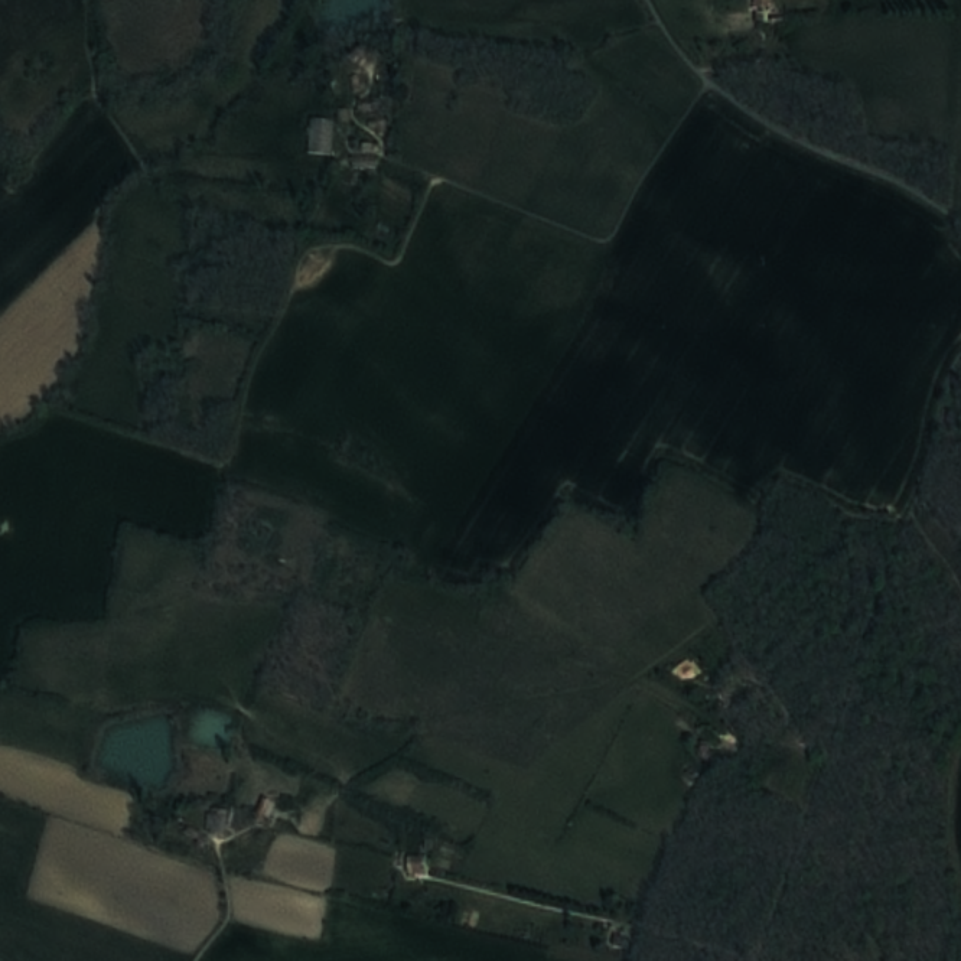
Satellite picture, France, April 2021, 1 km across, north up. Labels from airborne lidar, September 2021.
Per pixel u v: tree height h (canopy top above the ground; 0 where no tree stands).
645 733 0
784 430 0
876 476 0
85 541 0
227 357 0
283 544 0
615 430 0
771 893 19
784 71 20
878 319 0
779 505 10
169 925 0
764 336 0
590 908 6
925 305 0
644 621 0
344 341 0
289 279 14
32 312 0
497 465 0
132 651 0
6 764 0
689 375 0
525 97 18
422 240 0
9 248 0
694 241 0
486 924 0
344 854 0
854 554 18
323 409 0
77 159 0
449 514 0
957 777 0
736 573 16
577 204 0
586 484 0
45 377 0
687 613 0
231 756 27
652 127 0
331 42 21
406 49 8
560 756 0
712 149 0
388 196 0
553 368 0
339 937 0
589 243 0
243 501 13
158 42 0
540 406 0
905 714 22
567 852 0
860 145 12
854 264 0
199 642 0
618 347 0
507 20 0
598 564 0
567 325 0
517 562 0
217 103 0
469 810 0
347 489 0
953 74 0
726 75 22
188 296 19
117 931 0
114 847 0
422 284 0
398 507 0
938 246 0
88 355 7
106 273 13
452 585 8
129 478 0
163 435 24
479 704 0
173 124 0
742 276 0
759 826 21
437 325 0
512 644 0
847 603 21
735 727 12
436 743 0
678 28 0
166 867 0
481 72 16
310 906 0
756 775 18
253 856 0
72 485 0
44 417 17
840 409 0
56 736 0
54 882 0
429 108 0
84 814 0
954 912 23
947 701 27
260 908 0
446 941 0
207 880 0
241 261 19
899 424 0
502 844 0
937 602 17
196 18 0
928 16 23
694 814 18
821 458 0
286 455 0
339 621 13
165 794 0
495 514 0
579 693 0
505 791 0
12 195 0
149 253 0
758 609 17
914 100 0
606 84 0
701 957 15
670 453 0
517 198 0
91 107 0
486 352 0
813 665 20
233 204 0
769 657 18
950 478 18
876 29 0
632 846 0
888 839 16
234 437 17
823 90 19
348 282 0
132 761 0
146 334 0
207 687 0
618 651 0
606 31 0
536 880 0
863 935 19
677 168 0
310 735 0
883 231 0
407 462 0
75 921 0
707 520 0
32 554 0
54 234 0
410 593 0
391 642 0
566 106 15
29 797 0
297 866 0
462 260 0
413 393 0
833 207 0
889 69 0
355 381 0
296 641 15
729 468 0
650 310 0
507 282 0
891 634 24
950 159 18
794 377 0
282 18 0
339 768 0
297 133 0
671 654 0
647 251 0
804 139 17
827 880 17
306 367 0
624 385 0
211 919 0
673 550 0
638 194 0
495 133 0
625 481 0
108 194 14
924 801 19
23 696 11
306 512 0
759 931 20
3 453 0
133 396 0
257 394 0
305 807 0
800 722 16
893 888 18
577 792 0
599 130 0
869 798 13
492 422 0
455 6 0
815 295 0
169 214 0
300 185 0
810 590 23
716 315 0
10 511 0
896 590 20
